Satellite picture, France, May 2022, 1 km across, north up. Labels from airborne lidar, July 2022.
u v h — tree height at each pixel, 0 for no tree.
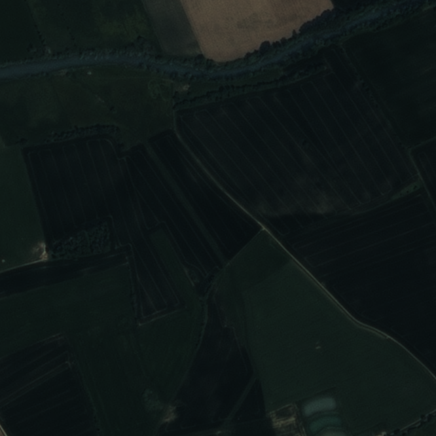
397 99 0
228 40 0
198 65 11
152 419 0
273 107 0
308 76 6
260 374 0
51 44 0
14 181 0
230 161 0
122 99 0
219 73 0
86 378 0
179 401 0
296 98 0
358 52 0
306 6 0
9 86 0
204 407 0
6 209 0
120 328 0
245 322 0
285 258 0
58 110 0
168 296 0
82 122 0
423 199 0
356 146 0
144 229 0
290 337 0
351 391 0
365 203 0
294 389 0
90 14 0
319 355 0
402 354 0
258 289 0
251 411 0
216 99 13
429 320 0
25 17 0
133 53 21
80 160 0
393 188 0
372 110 0
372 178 0
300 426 0
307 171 0
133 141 0
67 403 0
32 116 0
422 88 0
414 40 0
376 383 0
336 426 0
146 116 0
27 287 0
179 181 0
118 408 0
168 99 0
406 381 0
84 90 0
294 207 0
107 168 0
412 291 0
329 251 0
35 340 0
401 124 0
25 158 0
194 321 0
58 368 0
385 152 0
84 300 0
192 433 0
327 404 0
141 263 0
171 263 0
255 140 0
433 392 0
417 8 21
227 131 0
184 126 0
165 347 0
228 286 0
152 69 15
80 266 0
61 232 0
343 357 0
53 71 0
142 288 0
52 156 0
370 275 0
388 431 0
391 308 0
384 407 0
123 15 0
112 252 0
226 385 0
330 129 0
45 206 0
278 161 0
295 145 0
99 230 17
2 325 0
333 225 0
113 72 0
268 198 0
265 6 0
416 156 0
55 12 0
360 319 0
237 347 0
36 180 0
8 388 0
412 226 0
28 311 0
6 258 0
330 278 0
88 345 0
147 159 0
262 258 0
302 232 0
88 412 0
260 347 0
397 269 0
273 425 0
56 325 0
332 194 0
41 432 0
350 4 0
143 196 0
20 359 0
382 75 0
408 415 0
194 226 0
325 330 0
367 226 0
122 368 0
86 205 0
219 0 0
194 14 0
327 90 0
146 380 0
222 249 0
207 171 0
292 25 0
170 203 0
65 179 0
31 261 0
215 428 0
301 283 0
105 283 0
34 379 0
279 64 10
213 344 0
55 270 0
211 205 0
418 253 0
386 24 15
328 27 26
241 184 0
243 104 0
